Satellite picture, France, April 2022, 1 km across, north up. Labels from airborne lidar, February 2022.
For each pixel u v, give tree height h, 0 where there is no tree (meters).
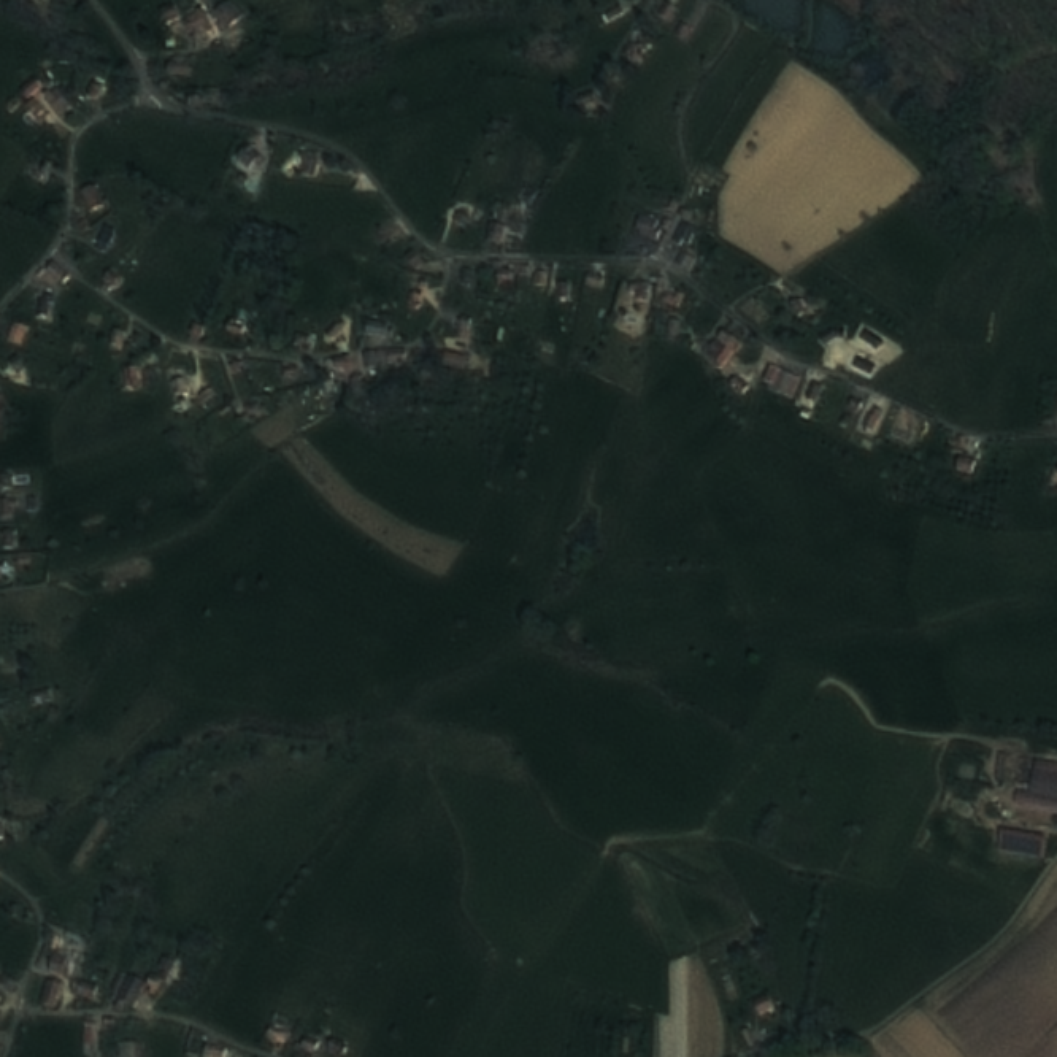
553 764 0
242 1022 0
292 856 0
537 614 20
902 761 0
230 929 0
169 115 0
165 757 19
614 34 0
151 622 0
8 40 0
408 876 0
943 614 0
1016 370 0
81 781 0
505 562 0
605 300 0
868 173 0
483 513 0
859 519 0
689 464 0
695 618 0
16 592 0
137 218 0
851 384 0
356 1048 0
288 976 0
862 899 0
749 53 0
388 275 0
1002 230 0
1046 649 0
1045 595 0
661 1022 0
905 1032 0
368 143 0
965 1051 0
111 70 18
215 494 0
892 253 0
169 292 0
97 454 0
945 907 0
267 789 0
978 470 7
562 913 0
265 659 0
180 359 0
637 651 0
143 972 0
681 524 0
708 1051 0
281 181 0
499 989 0
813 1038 25
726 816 0
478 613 0
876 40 23
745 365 0
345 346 0
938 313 0
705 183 0
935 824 0
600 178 0
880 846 0
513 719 0
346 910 0
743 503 0
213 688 0
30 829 0
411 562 0
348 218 0
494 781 0
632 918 0
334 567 0
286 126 0
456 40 0
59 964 0
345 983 0
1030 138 27
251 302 0
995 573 0
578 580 7
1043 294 0
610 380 0
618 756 0
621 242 0
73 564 0
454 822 0
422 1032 0
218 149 0
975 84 17
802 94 0
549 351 0
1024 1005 0
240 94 13
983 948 0
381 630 0
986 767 0
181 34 0
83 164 0
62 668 0
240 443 0
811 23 0
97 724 0
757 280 7
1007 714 0
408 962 0
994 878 0
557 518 0
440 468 0
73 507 0
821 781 0
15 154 0
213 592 0
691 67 0
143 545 0
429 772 0
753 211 0
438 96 0
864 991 0
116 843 8
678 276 0
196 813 0
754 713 0
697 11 0
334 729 0
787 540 0
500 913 0
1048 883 0
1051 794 0
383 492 0
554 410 0
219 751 7
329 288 0
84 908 0
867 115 0
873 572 0
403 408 14
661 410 0
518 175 0
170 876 0
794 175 0
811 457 0
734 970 0
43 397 0
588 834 0
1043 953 0
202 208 16
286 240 19
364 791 0
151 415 0
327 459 0
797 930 0
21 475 0
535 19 0
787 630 0
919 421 0
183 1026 0
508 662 0
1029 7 29
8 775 12
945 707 0
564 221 0
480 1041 0
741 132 0
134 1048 0
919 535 0
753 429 0
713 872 0
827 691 0
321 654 0
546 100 0
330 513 0
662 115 0
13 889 0
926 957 0
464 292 0
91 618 0
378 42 11
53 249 0
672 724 0
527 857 0
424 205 0
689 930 0
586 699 0
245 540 0
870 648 0
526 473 9
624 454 0
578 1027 0
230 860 0
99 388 0
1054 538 0
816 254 0
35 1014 0
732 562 0
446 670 0
